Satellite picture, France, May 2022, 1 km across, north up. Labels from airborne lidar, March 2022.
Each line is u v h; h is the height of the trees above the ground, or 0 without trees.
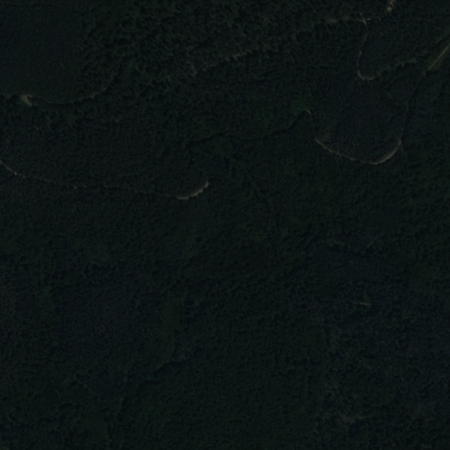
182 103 27
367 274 25
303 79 24
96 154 24
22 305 25
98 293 27
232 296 9
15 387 24
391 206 17
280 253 24
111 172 22
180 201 7
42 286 23
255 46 21
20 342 27
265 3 32
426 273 23
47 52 18
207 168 26
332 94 19
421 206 11
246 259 20
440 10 16
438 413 24
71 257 20
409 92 20
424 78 14
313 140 16
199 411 22
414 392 23
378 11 19
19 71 17
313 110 9
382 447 30
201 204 9
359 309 9
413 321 24
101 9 17
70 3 15
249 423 24
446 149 20
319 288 22
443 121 22
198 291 22
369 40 16
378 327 25
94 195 21
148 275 12
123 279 27
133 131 24
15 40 22
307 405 26
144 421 20
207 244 13
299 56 22
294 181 23
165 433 19
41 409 13
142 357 23
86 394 14
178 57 32
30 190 20
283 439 22
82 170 19
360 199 22
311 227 15
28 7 18
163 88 31
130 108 23
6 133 21
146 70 33
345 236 29
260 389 23
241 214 21
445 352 23
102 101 21
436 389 24
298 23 26
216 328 16
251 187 26
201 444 13
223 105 23
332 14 22
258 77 18
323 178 21
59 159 17
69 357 25
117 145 18
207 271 14
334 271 22
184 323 18
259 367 26
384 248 25
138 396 19
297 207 19
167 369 20
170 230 18
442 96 17
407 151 17
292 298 29
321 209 21
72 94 15
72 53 16
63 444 16
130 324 25
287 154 19
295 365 24
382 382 21
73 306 26
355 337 21
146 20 34
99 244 20
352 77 16
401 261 26
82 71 19
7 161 23
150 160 17
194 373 20
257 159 23
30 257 24
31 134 23
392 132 17
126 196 25
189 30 38
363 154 7
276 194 25
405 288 29
